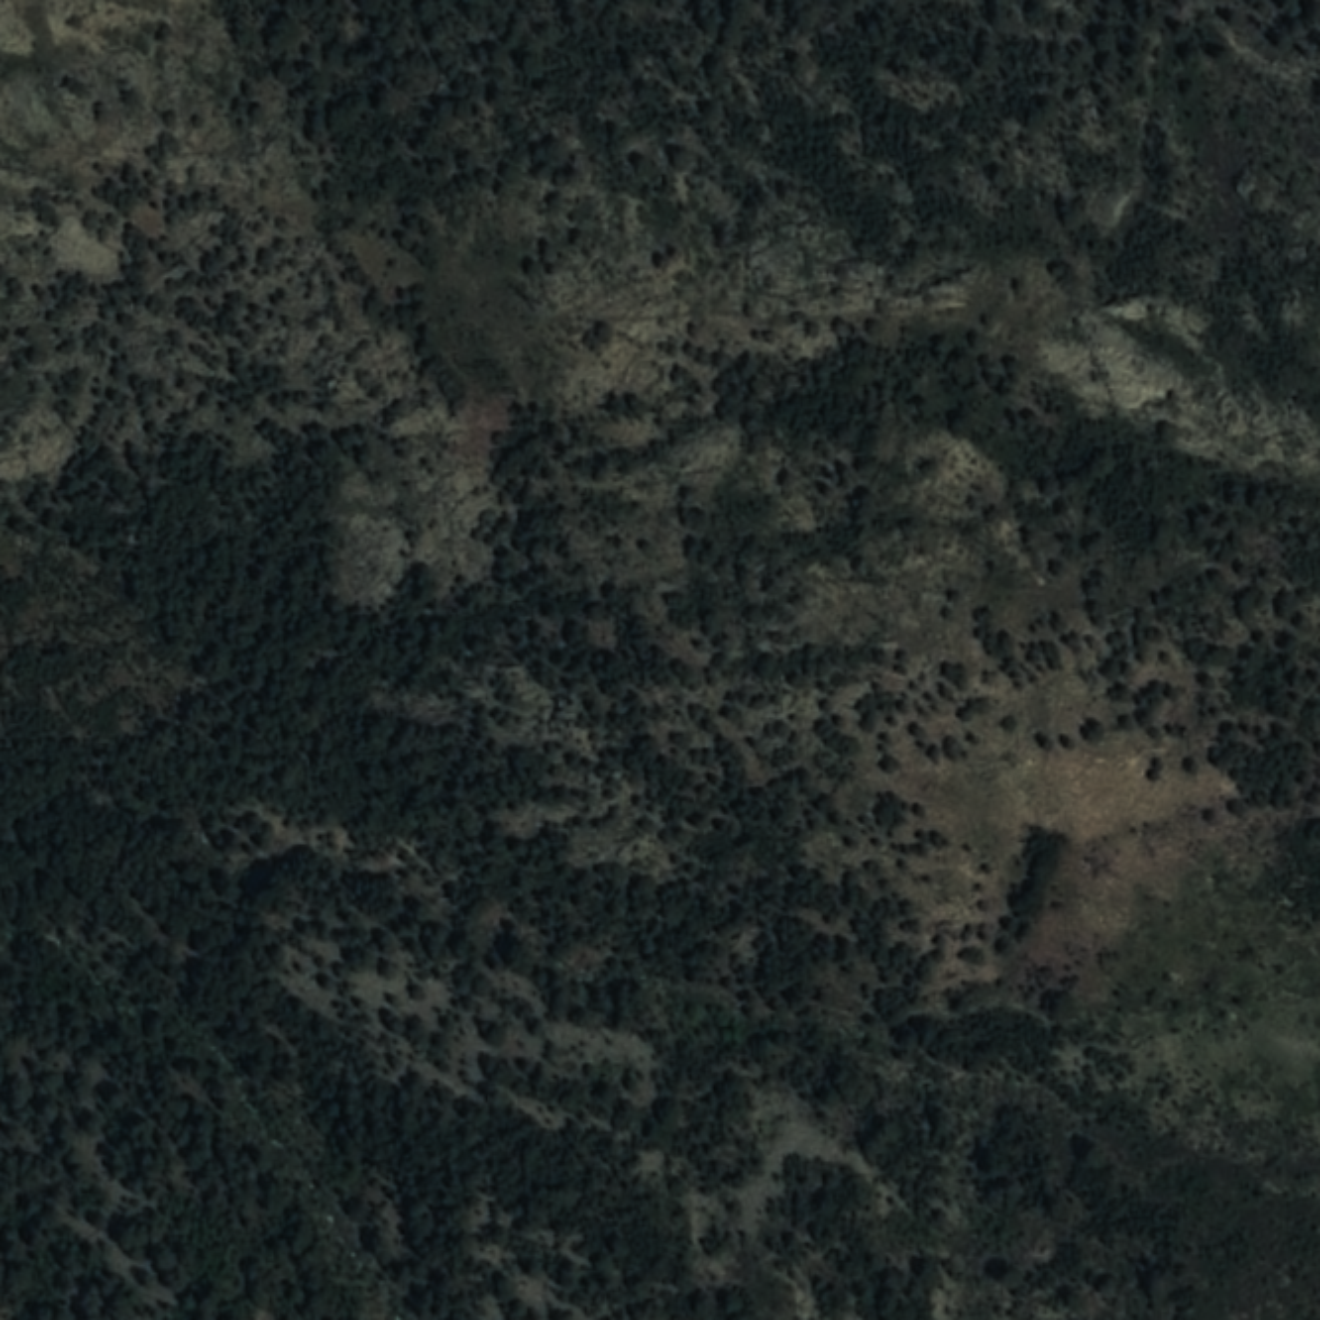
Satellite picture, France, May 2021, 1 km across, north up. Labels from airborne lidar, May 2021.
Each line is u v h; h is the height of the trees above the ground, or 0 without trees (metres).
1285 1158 6
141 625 8
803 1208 9
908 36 12
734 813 21
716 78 14
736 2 24
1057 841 17
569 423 10
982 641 10
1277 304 9
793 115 12
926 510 0
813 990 30
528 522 13
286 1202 30
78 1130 20
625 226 6
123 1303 27
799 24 20
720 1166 15
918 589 0
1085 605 0
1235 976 0
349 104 20
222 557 27
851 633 0
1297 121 11
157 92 0
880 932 20
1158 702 24
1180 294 6
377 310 17
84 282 22
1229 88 0
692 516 14
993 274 0
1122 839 0
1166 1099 6
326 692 31
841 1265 9
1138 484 19
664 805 17
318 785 8
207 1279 10
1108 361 0
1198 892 0
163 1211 9
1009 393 22
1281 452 0
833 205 8
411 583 10
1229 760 20
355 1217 23
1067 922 0
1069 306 0
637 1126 14
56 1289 10
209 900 36
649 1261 11
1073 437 10
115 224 12
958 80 7
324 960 10
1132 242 10
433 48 10
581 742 7
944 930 6
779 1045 20
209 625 6
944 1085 7
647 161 20
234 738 24
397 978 10
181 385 13
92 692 6
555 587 9
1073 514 19
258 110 18
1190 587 7
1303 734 7
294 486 11
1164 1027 0
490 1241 13
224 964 23
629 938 9
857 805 0
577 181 19
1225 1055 0
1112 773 0
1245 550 13
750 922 21
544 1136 12
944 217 11
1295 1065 0
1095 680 20
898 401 12
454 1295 21
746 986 18
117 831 37
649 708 15
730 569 17
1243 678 27
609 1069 8
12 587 17
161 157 11
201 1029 11
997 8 18
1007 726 10
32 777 25
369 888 24
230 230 14
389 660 13
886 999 20
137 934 24
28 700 7
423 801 24
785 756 12
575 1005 7
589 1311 11
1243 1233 8
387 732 30
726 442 0
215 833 22
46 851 32
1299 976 0
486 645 22
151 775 18
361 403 7
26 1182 21
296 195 0
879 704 12
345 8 8
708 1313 20
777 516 0
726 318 0
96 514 9
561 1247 11
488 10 11
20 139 0
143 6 0
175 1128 21
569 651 10
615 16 23
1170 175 17
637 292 0
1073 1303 20
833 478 21
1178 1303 9
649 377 0
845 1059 12
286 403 14
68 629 7
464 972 12
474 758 23
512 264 0
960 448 0
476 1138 23
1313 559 10
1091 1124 14
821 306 0
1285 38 25
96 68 0
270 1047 34
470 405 18
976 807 0
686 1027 11
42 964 23
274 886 32
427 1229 28
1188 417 0
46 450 0
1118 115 12
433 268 16
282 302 15
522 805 9
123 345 20
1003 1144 12
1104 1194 8
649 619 9
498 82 21
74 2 0
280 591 9
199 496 9
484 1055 0
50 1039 21
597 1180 9
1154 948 0
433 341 17
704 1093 8
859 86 10
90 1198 12
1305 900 10
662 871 0
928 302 8
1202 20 7
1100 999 0
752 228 8
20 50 0
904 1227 8
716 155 7
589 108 8
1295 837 10
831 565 7
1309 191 0
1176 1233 9
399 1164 10
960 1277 9
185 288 16
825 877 20
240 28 20
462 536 0
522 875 12
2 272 19
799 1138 0
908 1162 12
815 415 14
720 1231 10
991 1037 10
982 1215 6
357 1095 27
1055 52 12
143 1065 23
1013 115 10
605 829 13
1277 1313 0
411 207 22
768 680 19
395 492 0
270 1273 23
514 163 8
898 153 9
